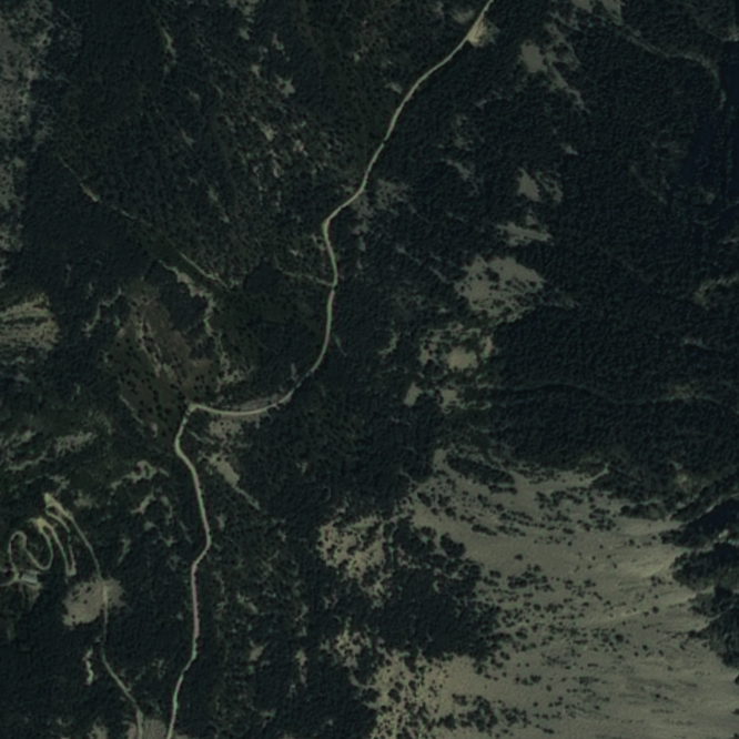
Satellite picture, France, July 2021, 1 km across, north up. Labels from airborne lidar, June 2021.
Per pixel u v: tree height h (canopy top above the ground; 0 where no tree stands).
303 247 8
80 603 0
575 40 15
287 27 6
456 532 0
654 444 11
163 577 7
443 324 6
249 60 11
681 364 7
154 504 7
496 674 0
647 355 14
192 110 10
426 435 9
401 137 10
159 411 8
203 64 11
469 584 7
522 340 13
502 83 11
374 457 13
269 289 13
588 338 12
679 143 9
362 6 14
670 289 6
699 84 6
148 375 8
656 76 14
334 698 7
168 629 10
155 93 13
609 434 12
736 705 0
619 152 12
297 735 6
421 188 9
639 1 6
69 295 8
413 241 9
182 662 10
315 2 12
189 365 0
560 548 0
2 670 8
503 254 9
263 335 12
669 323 9
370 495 10
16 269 12
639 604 0
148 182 10
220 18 12
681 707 0
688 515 9
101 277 10
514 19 12
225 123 11
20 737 8
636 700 0
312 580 6
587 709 0
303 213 8
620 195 14
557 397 11
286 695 6
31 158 7
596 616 0
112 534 6
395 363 8
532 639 0
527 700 0
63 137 6
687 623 0
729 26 7
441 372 7
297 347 12
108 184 10
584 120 7
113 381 9
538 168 9
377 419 15
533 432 10
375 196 9
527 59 0
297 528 7
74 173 11
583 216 14
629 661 0
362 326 8
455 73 11
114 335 8
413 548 10
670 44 11
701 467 8
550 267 12
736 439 8
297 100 9
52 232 9
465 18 0
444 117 11
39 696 8
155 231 11
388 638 8
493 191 14
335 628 6
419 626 10
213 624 8
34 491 7
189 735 8
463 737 0
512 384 10
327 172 8
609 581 0
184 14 9
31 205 9
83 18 6
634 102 11
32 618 7
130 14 13
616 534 0
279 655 6
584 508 0
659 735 0
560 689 0
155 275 9
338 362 8
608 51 11
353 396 9
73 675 8
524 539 0
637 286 11
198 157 8
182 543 10
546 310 8
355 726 8
